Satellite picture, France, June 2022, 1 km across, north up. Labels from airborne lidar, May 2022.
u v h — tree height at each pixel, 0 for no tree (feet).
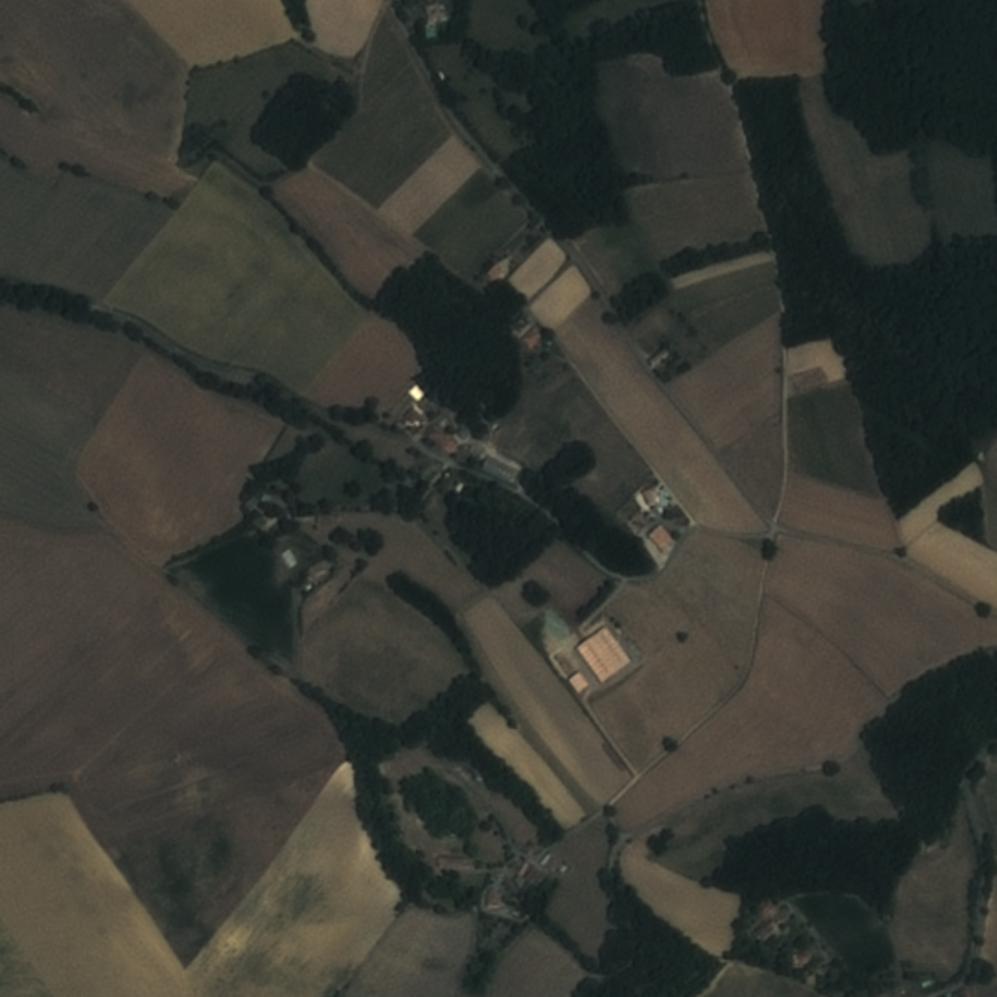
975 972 29
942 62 75
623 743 0
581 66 83
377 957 0
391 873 48
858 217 0
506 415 34
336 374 0
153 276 0
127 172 0
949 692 44
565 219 67
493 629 0
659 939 50
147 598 0
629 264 0
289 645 0
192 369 31
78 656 0
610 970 46
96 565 0
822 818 45
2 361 0
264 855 0
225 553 0
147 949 0
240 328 0
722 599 0
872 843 64
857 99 63
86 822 0
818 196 57
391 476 54
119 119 0
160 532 0
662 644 0
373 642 0
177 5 0
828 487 0
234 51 0
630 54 32
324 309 0
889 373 71
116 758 0
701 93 0
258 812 0
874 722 30
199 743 0
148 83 0
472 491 27
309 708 0
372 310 25
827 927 0
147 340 29
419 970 0
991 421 25
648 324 0
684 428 0
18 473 0
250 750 0
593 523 40
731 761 0
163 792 0
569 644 0
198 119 0
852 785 0
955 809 52
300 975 0
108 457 0
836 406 0
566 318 0
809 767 0
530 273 0
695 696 0
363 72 0
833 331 39
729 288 0
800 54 0
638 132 0
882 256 0
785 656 0
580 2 39
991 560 0
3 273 0
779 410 0
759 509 0
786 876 59
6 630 0
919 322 61
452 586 0
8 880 0
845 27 63
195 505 0
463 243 0
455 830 38
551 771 0
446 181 0
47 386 0
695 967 23
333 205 0
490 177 0
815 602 0
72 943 0
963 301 89
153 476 0
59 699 0
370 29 0
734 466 0
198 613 0
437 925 0
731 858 46
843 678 0
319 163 0
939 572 0
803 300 32
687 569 0
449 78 29
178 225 0
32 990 0
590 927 0
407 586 45
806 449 0
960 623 0
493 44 0
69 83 0
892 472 51
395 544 0
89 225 0
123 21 0
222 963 0
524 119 41
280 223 0
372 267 0
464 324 51
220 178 0
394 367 0
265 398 51
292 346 0
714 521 0
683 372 26
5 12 0
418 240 0
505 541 52
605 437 0
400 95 0
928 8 90
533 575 0
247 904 0
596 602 20
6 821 0
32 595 0
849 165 0
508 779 48
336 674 0
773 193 39
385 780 26
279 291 0
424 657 0
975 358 70
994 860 43
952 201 0
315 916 0
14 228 0
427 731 40
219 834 0
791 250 38
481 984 38
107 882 0
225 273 0
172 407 0
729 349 0
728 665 0
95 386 0
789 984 0
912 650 0
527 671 0
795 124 35
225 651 0
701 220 0
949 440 60
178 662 0
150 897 0
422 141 0
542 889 41
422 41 24
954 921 0
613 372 0
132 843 0
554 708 0
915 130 67
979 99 62
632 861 0
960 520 47
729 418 0
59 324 0
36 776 0
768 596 0
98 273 0
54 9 0
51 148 0
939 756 49
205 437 0
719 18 0
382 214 0
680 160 0
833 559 0
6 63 0
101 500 0
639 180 48
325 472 0
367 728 57
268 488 20
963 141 51
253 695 0
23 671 0
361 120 0
